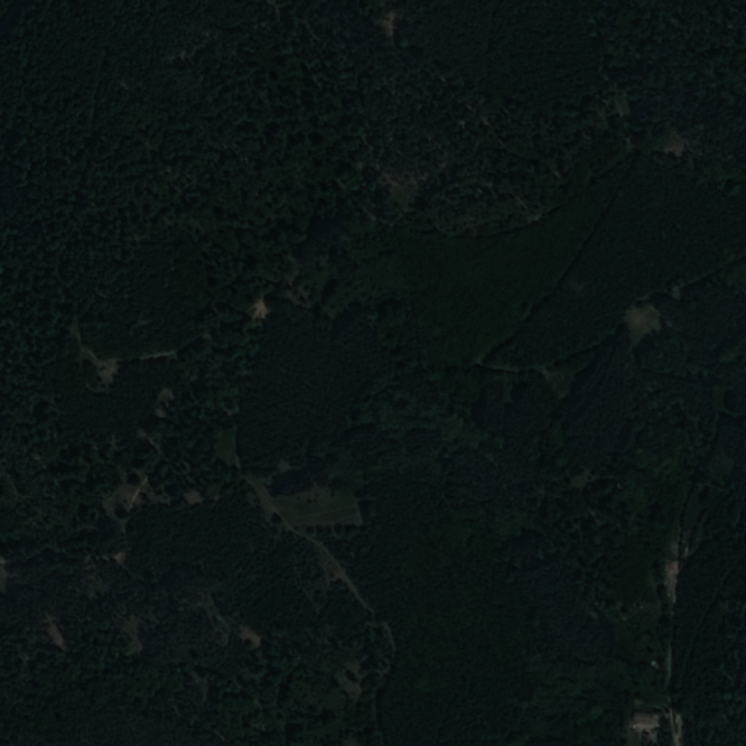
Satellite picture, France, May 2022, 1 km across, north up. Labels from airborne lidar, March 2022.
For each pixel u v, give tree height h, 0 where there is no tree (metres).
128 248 25
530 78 20
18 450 30
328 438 17
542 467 21
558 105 29
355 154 34
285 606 9
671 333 34
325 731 0
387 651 12
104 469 10
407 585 18
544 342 19
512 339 17
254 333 28
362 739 14
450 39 19
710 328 29
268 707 29
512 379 9
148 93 31
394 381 23
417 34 15
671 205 20
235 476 17
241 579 9
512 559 23
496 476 32
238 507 9
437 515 15
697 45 26
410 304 20
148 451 33
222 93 27
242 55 33
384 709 15
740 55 24
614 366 27
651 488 17
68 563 28
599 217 16
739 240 19
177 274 10
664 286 13
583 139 32
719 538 13
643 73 35
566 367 14
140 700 23
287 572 7
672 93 30
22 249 34
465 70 20
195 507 10
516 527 9
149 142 34
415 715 16
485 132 32
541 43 20
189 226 25
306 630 8
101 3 28
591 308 19
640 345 0
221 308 30
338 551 9
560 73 20
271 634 7
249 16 29
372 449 25
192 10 24
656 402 32
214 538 11
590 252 16
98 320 26
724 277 24
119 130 33
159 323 12
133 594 31
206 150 29
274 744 22
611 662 23
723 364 21
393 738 17
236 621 34
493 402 30
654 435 34
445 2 20
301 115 36
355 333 34
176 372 14
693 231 16
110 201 32
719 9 13
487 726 14
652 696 0
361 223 25
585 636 30
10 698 27
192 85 25
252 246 11
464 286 12
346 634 11
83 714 28
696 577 13
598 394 30
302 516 0
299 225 16
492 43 21
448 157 33
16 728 32
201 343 30
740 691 10
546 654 30
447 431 26
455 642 15
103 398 14
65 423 12
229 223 36
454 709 14
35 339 37
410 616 14
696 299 32
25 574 34
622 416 19
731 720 17
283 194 31
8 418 29
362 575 15
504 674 15
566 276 19
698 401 27
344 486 19
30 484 30
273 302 23
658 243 18
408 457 20
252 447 20
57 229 21
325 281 0
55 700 28
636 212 21
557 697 16
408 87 33
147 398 13
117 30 23
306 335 15
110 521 45
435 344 14
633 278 21
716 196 16
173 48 20
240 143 33
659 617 0
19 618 32
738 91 31
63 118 32
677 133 30
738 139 30
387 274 18
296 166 34
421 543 15
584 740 20
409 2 32
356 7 25
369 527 11
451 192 33
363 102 31
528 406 32
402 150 33
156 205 26
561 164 32
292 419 21
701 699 6
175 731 29
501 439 28
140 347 13
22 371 24
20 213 33
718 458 29
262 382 16
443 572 15
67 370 11
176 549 8
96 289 22
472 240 11
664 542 9
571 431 27
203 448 23
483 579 17
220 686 26
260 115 30
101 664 20
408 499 13
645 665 16
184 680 29
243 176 31
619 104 0
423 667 16
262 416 19
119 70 25
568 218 12
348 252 17
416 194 0
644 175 18
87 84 29
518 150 33
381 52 40
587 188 15
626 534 10
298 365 19
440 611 16
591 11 19
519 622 14
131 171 34
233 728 25
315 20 42
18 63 27
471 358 12
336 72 35
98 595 0
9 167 34
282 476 0
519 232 10
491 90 15
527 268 13
